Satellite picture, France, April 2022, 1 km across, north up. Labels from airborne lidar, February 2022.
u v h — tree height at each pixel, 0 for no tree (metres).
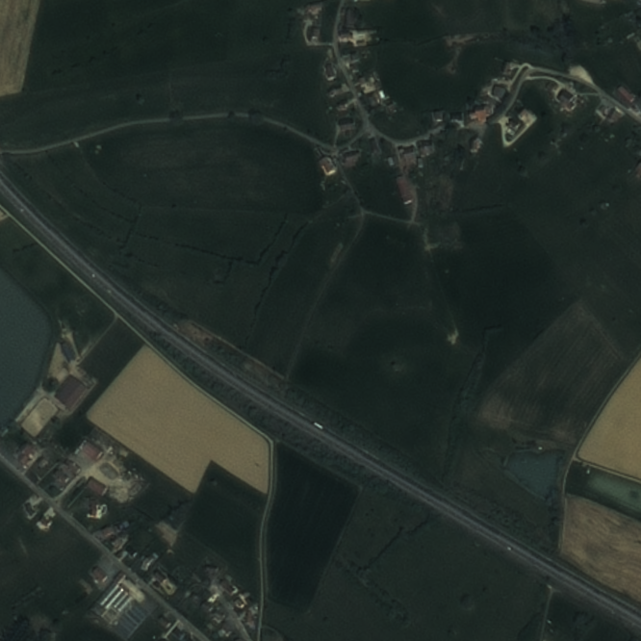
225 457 0
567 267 0
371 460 0
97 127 0
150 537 0
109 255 0
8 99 0
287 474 0
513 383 0
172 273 0
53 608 0
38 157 0
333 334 0
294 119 0
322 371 0
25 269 0
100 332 0
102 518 0
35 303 0
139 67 0
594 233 0
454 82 0
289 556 0
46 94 0
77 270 0
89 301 0
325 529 0
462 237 0
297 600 0
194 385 0
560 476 0
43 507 0
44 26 0
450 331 0
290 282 0
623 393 0
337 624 0
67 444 0
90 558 0
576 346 0
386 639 0
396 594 0
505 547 0
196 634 0
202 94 0
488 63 0
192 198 0
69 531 0
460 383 0
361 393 0
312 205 0
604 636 0
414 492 0
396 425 0
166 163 0
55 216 0
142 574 0
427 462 0
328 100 0
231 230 0
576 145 0
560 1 0
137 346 0
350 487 0
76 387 0
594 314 0
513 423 0
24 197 0
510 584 0
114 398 0
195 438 0
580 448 0
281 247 0
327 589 0
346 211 0
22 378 0
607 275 0
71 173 0
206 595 0
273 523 0
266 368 0
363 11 0
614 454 0
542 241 0
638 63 0
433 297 0
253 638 0
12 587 0
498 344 0
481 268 0
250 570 0
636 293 0
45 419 0
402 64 0
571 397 0
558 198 0
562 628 0
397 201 0
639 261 0
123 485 0
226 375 0
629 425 0
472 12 0
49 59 0
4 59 0
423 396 0
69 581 0
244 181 0
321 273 0
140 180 0
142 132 0
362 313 0
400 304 0
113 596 0
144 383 0
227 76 0
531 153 0
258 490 0
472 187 0
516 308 0
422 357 0
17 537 0
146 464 0
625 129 0
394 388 0
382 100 0
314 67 0
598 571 0
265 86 0
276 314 0
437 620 0
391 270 0
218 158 0
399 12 0
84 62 0
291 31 7
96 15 0
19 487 0
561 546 0
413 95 0
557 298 0
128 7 0
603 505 0
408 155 0
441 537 0
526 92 0
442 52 0
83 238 0
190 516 0
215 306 0
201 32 0
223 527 0
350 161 0
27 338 0
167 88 0
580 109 0
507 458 0
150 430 0
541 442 0
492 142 0
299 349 0
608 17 0
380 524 0
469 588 0
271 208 0
